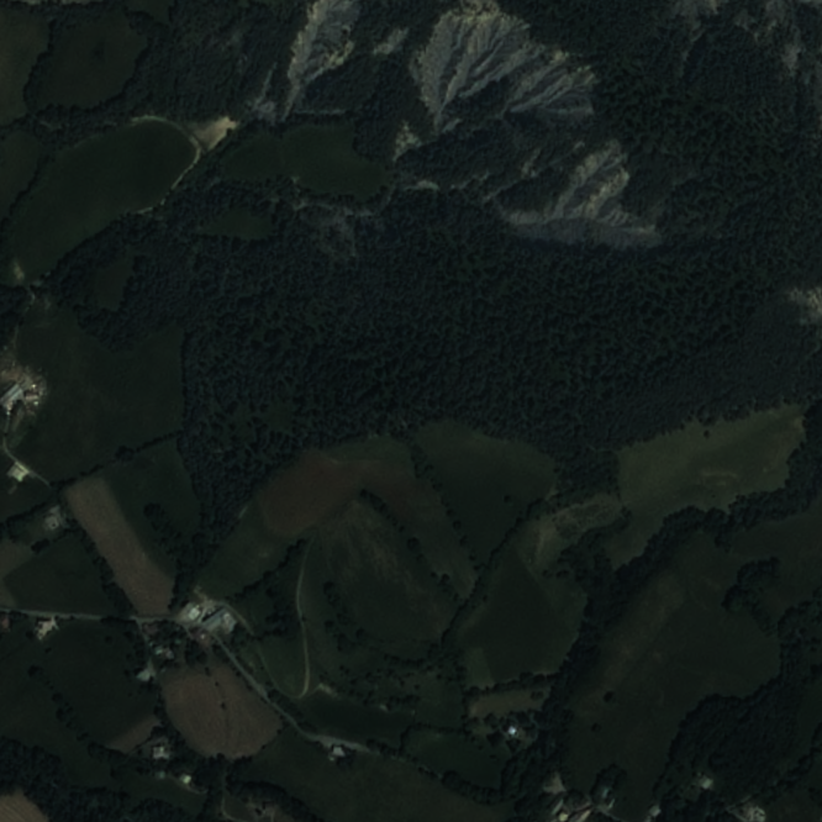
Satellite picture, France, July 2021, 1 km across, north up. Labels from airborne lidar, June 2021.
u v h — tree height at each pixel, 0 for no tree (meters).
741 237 14
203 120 9
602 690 0
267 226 0
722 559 0
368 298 17
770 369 15
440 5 7
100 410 0
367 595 0
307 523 0
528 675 11
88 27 0
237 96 10
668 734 0
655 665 0
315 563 0
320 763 0
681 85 7
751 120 9
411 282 22
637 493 0
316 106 10
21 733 0
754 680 0
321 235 8
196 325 17
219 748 0
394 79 14
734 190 16
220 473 16
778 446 0
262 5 15
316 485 0
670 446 0
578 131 6
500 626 0
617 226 0
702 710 17
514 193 14
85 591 0
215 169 11
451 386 15
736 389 16
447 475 0
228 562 0
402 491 0
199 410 16
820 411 20
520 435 13
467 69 0
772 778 18
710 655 0
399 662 13
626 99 19
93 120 18
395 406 18
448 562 0
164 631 7
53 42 11
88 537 15
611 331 10
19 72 0
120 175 0
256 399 15
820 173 8
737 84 17
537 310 15
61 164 0
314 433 17
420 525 0
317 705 0
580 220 0
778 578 16
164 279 19
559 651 0
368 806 0
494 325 18
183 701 0
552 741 23
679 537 21
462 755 0
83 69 0
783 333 14
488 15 0
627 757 0
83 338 0
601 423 17
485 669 0
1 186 0
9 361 0
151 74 14
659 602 0
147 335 8
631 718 0
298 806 23
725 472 0
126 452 15
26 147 0
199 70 8
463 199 14
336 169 0
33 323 0
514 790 15
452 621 8
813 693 0
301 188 7
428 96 0
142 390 0
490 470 0
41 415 0
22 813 0
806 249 10
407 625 0
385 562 0
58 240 0
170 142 0
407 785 0
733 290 10
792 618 19
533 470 0
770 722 20
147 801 10
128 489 0
